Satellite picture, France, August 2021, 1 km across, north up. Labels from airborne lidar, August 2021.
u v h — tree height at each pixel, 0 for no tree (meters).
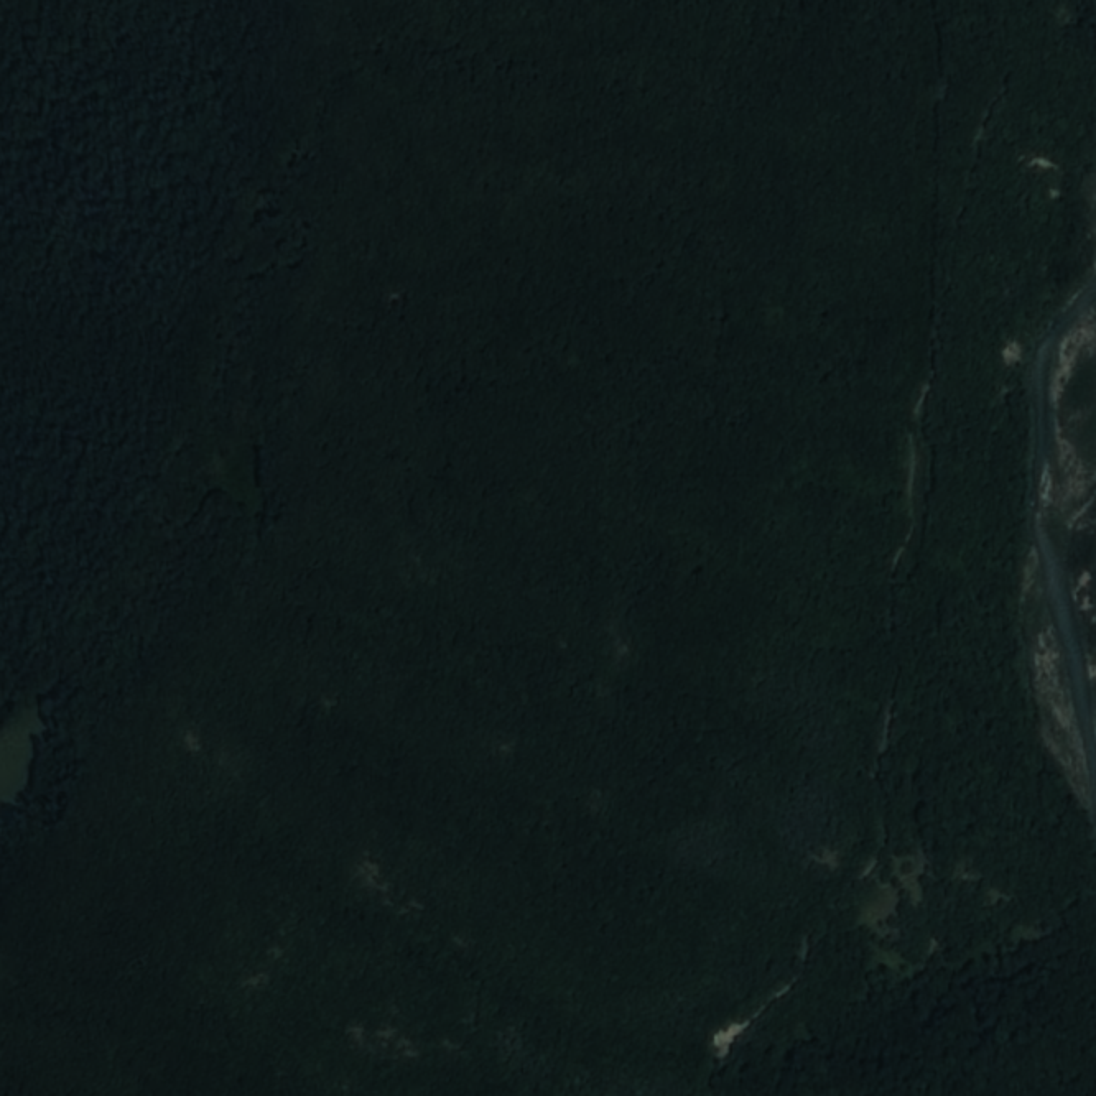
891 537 19
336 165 20
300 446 16
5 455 24
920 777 21
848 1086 31
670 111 18
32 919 19
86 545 25
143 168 25
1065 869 18
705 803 18
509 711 15
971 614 21
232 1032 14
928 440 16
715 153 20
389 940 19
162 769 13
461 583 8
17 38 21
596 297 21
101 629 23
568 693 10
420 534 5
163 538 23
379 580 17
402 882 7
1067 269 11
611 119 19
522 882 17
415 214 17
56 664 26
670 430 21
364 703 13
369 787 21
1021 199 17
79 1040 18
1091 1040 21
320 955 14
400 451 22
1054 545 0
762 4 21
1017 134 16
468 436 17
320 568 12
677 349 17
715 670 10
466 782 14
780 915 12
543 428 18
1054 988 30
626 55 20
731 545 18
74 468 26
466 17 8
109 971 23
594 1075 16
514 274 19
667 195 17
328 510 10
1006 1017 27
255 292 24
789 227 18
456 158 14
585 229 19
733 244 19
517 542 16
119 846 12
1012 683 19
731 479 23
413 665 17
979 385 15
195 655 11
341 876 12
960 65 17
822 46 17
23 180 26
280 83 19
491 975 13
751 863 11
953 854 15
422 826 12
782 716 13
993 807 22
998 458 20
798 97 21
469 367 21
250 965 8
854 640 10
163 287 27
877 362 23
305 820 10
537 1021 17
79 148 25
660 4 18
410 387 24
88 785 17
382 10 11
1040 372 0
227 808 12
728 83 22
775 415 19
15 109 23
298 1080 12
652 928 16
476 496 23
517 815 20
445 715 11
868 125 19
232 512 20
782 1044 11
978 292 16
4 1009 21
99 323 22
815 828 11
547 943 13
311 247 20
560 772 12
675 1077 17
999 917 16
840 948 19
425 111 14
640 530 14
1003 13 19
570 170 20
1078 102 16
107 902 17
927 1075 29
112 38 27
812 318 17
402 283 23
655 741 17
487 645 17
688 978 13
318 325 18
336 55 21
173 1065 18
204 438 23
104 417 30
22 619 24
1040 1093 23
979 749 20
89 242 26
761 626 10
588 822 14
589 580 11
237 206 22
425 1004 13
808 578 18
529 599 13
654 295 19
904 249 17
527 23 11
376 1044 6
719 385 24
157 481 21
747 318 21
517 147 20
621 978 15
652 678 15
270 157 20
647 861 18
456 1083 13
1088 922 22
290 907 15
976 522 18
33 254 28
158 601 25
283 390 21
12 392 22
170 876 18
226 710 12
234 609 21
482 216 20
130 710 19
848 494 10
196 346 22
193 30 26
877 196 18
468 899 12
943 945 13
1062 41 13
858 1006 17
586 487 15
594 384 23
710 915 18
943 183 16
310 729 16
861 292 18
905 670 19
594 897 15
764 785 14
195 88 27
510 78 22
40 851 16
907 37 18
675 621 12
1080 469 0
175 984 21
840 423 24
